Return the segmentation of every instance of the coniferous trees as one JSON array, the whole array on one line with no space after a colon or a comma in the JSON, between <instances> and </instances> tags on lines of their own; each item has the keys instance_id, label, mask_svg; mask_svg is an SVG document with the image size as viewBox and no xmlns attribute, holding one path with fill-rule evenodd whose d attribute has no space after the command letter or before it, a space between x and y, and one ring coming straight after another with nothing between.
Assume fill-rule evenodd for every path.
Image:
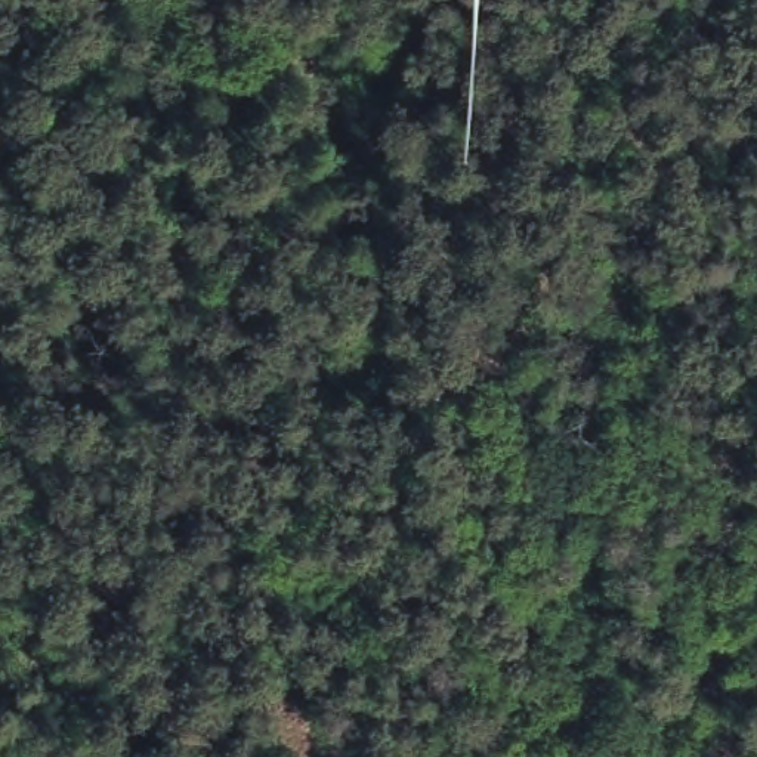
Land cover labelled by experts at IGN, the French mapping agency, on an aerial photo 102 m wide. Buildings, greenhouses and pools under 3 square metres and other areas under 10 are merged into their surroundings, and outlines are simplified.
<instances>
[{"instance_id":1,"label":"coniferous trees","mask_svg":"<svg viewBox=\"0 0 757 757\"><path fill-rule=\"evenodd\" d=\"M470 432L470 420L494 417L497 405L503 402L520 408L526 429L526 452L538 452L538 447L547 438L565 438L568 455L612 452L615 444L609 426L624 420L645 420L654 414L662 414L662 420L745 417L748 438L736 444L716 441L710 447L710 458L719 464L719 473L724 479L730 479L733 485L748 485L748 500L722 515L722 529L716 541L704 532L695 535L686 559L674 565L674 580L701 580L704 588L713 594L736 594L745 580L757 577L757 0L0 0L0 597L21 594L27 603L21 612L27 618L47 618L41 648L27 654L33 668L15 674L9 686L0 692L0 724L6 722L6 716L15 716L30 727L30 739L41 739L47 751L77 751L86 742L95 745L103 736L109 736L124 748L121 757L594 757L603 745L615 742L615 727L627 716L642 716L645 722L651 722L654 716L665 719L662 757L757 757L757 639L733 654L713 654L704 674L686 674L680 671L677 639L668 630L645 627L636 621L630 633L600 648L600 659L588 671L571 671L571 665L559 659L559 654L541 639L535 627L515 624L515 618L497 603L494 585L482 574L464 594L455 594L452 585L455 577L464 574L464 565L452 559L452 532L447 532L444 526L411 526L405 520L405 509L429 503L429 479L417 473L417 461L426 452L438 449L438 420L449 423L452 429L455 458L473 458L479 452L479 438Z\"/></svg>"}]
</instances>

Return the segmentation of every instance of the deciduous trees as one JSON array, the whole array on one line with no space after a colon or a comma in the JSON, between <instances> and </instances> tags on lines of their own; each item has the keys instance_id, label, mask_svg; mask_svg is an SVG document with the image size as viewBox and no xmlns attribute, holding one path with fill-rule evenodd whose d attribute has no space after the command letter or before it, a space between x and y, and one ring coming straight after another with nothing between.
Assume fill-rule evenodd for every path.
<instances>
[{"instance_id":1,"label":"deciduous trees","mask_svg":"<svg viewBox=\"0 0 757 757\"><path fill-rule=\"evenodd\" d=\"M674 580L674 565L686 559L695 535L704 532L716 541L722 529L722 515L748 500L748 485L733 485L730 479L724 479L719 473L719 464L710 458L710 447L716 441L736 444L748 438L745 417L662 420L662 414L654 414L645 420L624 420L609 426L615 444L612 452L568 455L565 438L547 438L538 447L538 452L526 452L526 429L520 408L503 402L497 405L494 417L470 420L470 432L479 438L479 452L473 458L455 458L452 429L449 423L438 420L438 449L426 452L417 461L417 473L429 479L429 503L405 509L405 520L411 526L444 526L447 532L452 532L452 559L464 565L464 574L455 577L452 585L455 594L464 594L482 574L494 585L497 603L515 618L515 624L535 627L541 639L559 654L559 659L571 665L571 671L588 671L600 659L600 648L630 633L636 621L645 627L668 630L677 639L680 671L686 674L704 674L713 654L733 654L757 639L757 577L745 580L736 594L713 594L704 588L701 580Z\"/></svg>"},{"instance_id":2,"label":"deciduous trees","mask_svg":"<svg viewBox=\"0 0 757 757\"><path fill-rule=\"evenodd\" d=\"M603 745L594 757L662 757L665 719L654 716L651 722L645 722L642 716L627 716L615 727L615 742Z\"/></svg>"},{"instance_id":3,"label":"deciduous trees","mask_svg":"<svg viewBox=\"0 0 757 757\"><path fill-rule=\"evenodd\" d=\"M0 757L121 757L124 748L109 736L103 736L95 745L86 742L77 751L47 751L41 739L30 739L30 727L15 716L6 716L6 722L0 724Z\"/></svg>"}]
</instances>

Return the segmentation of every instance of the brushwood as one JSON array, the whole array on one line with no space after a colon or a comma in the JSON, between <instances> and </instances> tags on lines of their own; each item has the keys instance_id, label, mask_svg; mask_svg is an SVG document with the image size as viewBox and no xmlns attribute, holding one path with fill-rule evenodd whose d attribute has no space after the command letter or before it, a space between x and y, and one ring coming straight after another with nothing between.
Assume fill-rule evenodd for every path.
<instances>
[{"instance_id":1,"label":"brushwood","mask_svg":"<svg viewBox=\"0 0 757 757\"><path fill-rule=\"evenodd\" d=\"M9 686L15 674L33 668L27 654L41 648L47 618L27 618L21 612L27 603L21 594L0 597L0 692Z\"/></svg>"}]
</instances>

